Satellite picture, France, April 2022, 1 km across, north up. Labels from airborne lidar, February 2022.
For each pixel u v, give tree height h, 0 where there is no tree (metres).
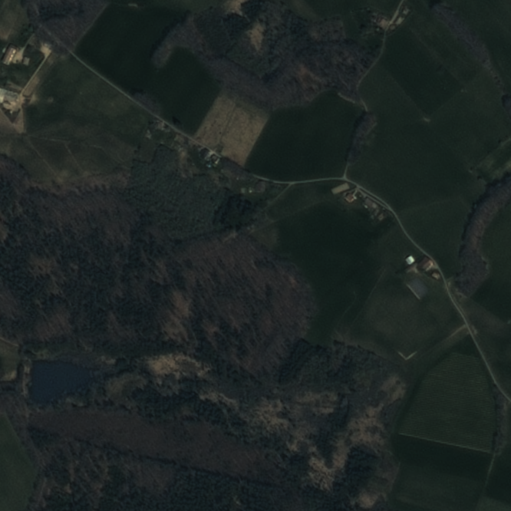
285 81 32
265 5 18
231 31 15
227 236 17
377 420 0
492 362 0
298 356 30
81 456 8
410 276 0
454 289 0
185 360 0
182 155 0
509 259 0
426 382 0
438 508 0
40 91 0
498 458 0
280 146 0
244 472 11
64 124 0
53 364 0
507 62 0
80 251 22
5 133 0
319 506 22
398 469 0
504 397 14
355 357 18
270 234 0
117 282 27
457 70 0
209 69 22
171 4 0
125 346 21
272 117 0
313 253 0
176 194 10
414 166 0
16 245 29
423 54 0
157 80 0
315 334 0
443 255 0
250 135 0
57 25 32
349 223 0
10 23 0
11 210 25
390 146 0
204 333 21
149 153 0
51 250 27
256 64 7
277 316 22
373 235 0
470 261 23
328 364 19
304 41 22
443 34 0
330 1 0
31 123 0
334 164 0
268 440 12
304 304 28
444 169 0
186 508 32
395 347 0
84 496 19
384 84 0
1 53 0
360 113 0
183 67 0
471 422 0
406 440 0
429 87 0
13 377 0
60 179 0
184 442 12
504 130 0
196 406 25
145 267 25
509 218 0
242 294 23
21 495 0
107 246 20
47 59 0
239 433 18
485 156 0
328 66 25
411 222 0
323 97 0
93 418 10
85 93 0
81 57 0
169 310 27
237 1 0
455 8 0
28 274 23
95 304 23
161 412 19
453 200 0
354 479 26
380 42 0
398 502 0
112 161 0
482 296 0
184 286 29
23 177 26
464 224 0
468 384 0
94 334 22
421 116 0
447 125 0
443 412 0
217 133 0
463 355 0
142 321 27
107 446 11
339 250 0
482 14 0
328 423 8
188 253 24
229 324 22
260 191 0
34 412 16
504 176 0
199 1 0
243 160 0
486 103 0
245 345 32
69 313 22
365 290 0
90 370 0
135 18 0
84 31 28
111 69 0
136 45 0
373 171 0
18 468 0
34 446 23
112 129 0
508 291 0
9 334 24
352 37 0
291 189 0
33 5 24
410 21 0
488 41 0
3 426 0
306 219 0
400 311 0
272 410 0
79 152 0
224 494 29
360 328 0
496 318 0
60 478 24
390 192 0
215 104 0
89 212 22
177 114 0
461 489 0
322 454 8
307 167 0
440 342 0
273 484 7
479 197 0
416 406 0
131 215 21
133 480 17
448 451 0
